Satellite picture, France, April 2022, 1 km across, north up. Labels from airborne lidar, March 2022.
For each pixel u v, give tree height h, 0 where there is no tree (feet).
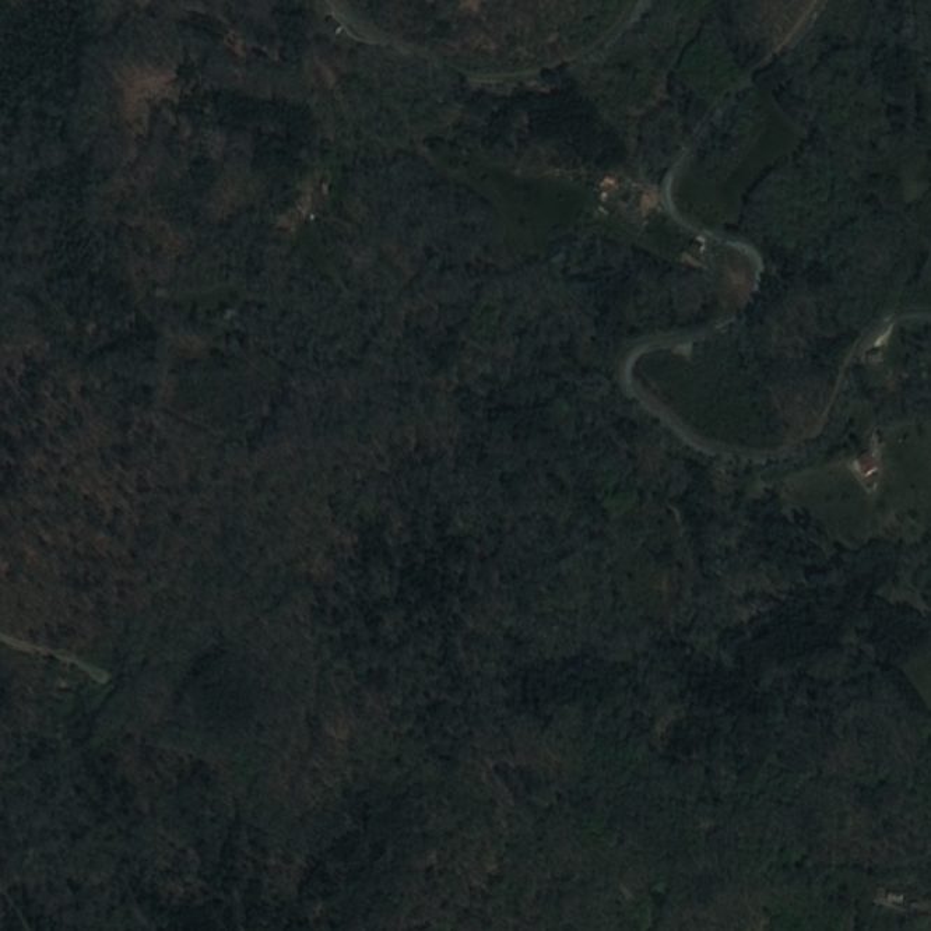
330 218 52
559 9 44
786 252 59
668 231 0
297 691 74
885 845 57
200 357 0
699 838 67
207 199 92
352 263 64
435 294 86
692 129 64
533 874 73
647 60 27
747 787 54
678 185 0
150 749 52
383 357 73
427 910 63
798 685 89
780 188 71
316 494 73
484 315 60
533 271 83
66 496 75
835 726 83
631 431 81
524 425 110
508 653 92
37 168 75
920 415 76
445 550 50
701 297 92
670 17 71
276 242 28
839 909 86
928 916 25
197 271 74
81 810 73
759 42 67
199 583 73
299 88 108
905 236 48
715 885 69
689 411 20
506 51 53
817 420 46
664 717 103
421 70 77
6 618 80
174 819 73
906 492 0
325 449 95
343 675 47
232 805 25
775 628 64
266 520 72
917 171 0
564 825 86
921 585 77
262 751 73
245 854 31
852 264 69
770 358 62
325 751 76
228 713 69
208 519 71
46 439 69
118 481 37
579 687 127
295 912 28
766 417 32
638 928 63
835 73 74
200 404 36
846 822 74
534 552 96
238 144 98
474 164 0
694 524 55
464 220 108
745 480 36
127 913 34
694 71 72
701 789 27
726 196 0
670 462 55
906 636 89
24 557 77
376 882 68
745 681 75
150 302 43
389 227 96
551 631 83
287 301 68
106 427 62
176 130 50
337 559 60
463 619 60
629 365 0
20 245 69
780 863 81
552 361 41
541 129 84
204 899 66
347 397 95
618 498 53
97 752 37
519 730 100
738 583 91
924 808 74
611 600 56
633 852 74
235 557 73
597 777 81
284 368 29
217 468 60
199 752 71
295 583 43
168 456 65
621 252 77
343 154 33
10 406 54
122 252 53
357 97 97
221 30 22
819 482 0
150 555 79
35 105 29
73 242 26
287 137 55
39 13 19
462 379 59
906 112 57
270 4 104
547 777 84
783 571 63
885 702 91
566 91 62
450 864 21
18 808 72
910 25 87
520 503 94
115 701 76
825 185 55
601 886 70
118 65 85
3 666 73
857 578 33
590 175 28
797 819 72
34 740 68
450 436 87
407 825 55
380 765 64
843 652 55
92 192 75
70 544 44
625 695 96
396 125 70
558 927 64
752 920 64
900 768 91
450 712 60
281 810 79
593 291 84
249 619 63
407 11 51
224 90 76
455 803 62
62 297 62
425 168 75
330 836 78
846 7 40
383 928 74
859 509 0
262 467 70
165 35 85
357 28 0
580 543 98
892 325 0
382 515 84
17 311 81
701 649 54
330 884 28
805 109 76
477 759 63
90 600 89
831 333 61
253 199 95
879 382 0
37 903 94
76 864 74
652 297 68
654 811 94
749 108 74
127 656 44
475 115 78
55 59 18
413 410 69
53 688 73
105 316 87
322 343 73
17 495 59
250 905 33
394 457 77
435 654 21
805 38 26
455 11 50
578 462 84
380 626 59
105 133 65
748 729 73
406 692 64
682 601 45
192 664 66
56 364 34
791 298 68
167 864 74
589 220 24
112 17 70
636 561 26
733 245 0
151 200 36
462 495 89
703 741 33
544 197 0
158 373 89
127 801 59
